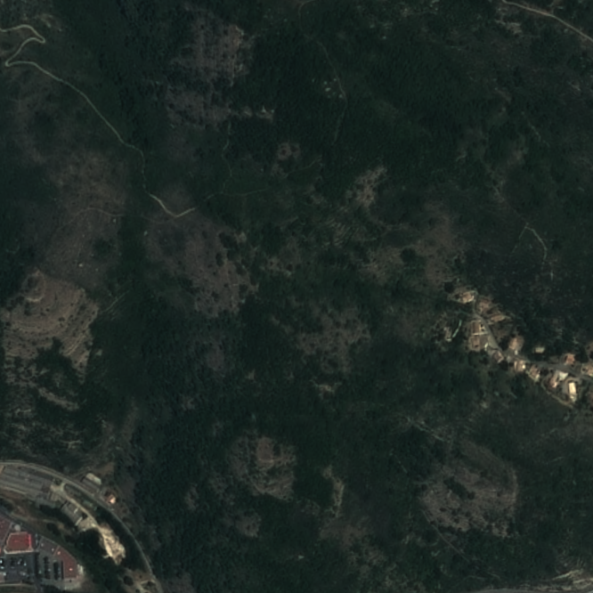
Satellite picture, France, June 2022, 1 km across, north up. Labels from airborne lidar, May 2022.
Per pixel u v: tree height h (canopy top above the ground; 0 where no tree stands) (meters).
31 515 0
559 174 9
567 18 7
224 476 8
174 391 8
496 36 0
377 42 6
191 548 10
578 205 9
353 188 7
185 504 6
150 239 0
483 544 9
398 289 10
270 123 7
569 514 5
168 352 6
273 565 10
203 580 6
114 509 0
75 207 0
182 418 7
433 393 7
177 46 8
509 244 0
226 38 0
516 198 0
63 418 6
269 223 6
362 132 7
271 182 8
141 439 11
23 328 0
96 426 7
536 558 7
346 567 7
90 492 0
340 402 8
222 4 7
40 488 0
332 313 7
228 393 6
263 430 9
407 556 8
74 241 0
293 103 11
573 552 7
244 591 5
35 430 5
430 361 7
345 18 11
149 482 8
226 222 7
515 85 7
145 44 10
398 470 8
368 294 6
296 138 6
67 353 0
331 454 7
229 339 7
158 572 8
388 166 8
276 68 12
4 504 12
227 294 0
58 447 8
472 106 10
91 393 8
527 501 7
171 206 0
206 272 0
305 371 8
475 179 7
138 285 9
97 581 11
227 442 6
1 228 9
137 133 15
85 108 8
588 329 10
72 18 6
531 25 6
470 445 0
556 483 7
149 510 7
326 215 10
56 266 0
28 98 0
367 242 8
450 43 8
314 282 7
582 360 9
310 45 8
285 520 8
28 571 6
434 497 0
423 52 9
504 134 10
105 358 10
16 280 9
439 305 12
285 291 10
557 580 6
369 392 8
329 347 0
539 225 0
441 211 0
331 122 9
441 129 9
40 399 7
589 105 6
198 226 0
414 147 8
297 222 9
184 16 7
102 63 13
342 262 10
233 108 7
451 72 7
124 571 6
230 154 9
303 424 7
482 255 6
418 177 6
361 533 0
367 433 10
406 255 12
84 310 6
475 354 13
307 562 7
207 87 8
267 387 7
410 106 8
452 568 8
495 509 0
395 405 8
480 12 6
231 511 6
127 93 12
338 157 9
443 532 7
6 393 7
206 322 6
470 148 6
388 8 7
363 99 10
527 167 8
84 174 0
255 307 7
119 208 0
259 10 8
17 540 0
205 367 7
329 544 5
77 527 8
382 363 7
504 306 6
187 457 9
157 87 8
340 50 9
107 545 0
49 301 0
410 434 7
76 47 7
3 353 8
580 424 0
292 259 0
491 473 0
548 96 7
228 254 7
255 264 8
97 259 0
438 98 9
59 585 0
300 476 7
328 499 6
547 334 7
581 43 0
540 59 6
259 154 9
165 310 7
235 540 8
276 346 9
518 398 9
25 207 0
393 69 12
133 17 16
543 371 9
